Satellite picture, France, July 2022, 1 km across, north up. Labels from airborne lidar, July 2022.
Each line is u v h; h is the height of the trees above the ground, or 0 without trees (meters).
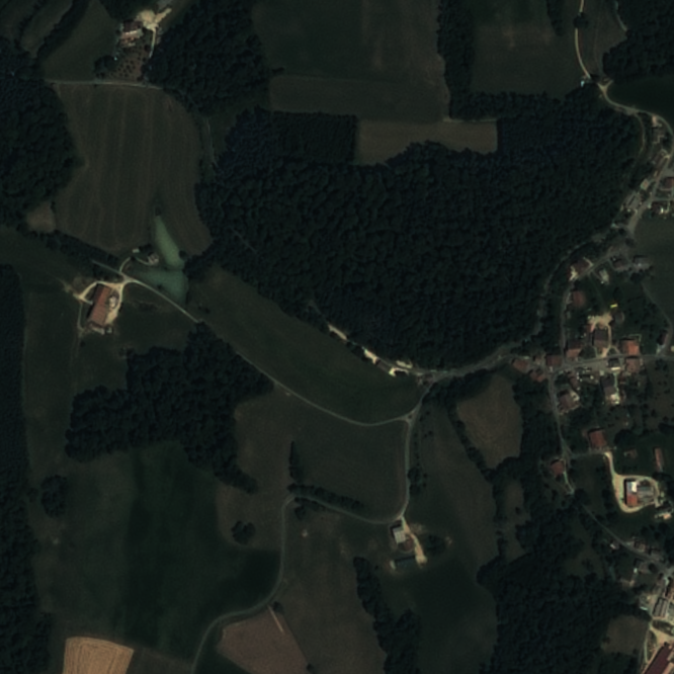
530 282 6
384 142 0
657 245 0
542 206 24
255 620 0
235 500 0
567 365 0
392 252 25
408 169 32
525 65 0
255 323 0
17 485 24
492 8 0
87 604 0
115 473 0
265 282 25
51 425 0
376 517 0
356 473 0
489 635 0
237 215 25
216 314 0
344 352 0
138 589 0
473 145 0
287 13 0
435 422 0
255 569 0
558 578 31
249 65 25
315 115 8
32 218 0
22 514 29
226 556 0
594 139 29
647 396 7
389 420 0
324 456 0
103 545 0
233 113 0
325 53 0
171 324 0
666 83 0
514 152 22
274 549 0
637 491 0
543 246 18
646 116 8
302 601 0
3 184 23
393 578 0
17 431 23
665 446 0
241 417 0
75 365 0
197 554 0
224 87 27
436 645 0
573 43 0
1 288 20
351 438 0
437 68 0
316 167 20
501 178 18
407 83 0
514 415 0
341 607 0
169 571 0
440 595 0
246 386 14
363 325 21
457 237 32
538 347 16
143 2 25
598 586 23
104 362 0
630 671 14
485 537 0
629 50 22
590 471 0
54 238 19
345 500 12
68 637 0
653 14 23
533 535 20
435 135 0
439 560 0
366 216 28
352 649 0
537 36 0
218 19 26
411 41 0
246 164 31
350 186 29
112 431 29
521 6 0
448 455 0
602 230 19
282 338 0
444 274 28
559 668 29
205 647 0
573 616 26
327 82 0
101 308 0
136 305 0
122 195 0
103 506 0
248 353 0
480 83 0
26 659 26
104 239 0
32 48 0
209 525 0
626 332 0
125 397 25
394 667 23
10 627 28
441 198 20
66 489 17
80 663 0
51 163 33
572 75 0
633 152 30
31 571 12
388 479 0
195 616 0
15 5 0
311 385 0
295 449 9
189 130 0
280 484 0
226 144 0
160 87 16
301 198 21
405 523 0
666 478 16
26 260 0
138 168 0
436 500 0
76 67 0
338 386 0
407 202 19
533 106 23
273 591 0
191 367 22
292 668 0
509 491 0
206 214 20
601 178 25
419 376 0
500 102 23
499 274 27
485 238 30
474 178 26
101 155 0
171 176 0
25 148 11
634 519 0
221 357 29
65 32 16
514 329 21
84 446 25
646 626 0
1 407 18
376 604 20
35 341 0
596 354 0
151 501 0
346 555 0
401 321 27
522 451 9
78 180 0
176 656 0
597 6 0
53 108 26
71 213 0
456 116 15
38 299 0
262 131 30
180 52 28
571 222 20
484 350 16
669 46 21
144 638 0
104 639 0
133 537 0
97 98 0
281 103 0
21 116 32
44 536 0
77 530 0
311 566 0
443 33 13
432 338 23
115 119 0
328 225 30
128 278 0
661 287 0
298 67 0
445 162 27
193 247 0
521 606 22
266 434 0
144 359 16
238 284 0
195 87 26
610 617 13
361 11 0
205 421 31
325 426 0
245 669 0
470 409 0
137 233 0
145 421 27
